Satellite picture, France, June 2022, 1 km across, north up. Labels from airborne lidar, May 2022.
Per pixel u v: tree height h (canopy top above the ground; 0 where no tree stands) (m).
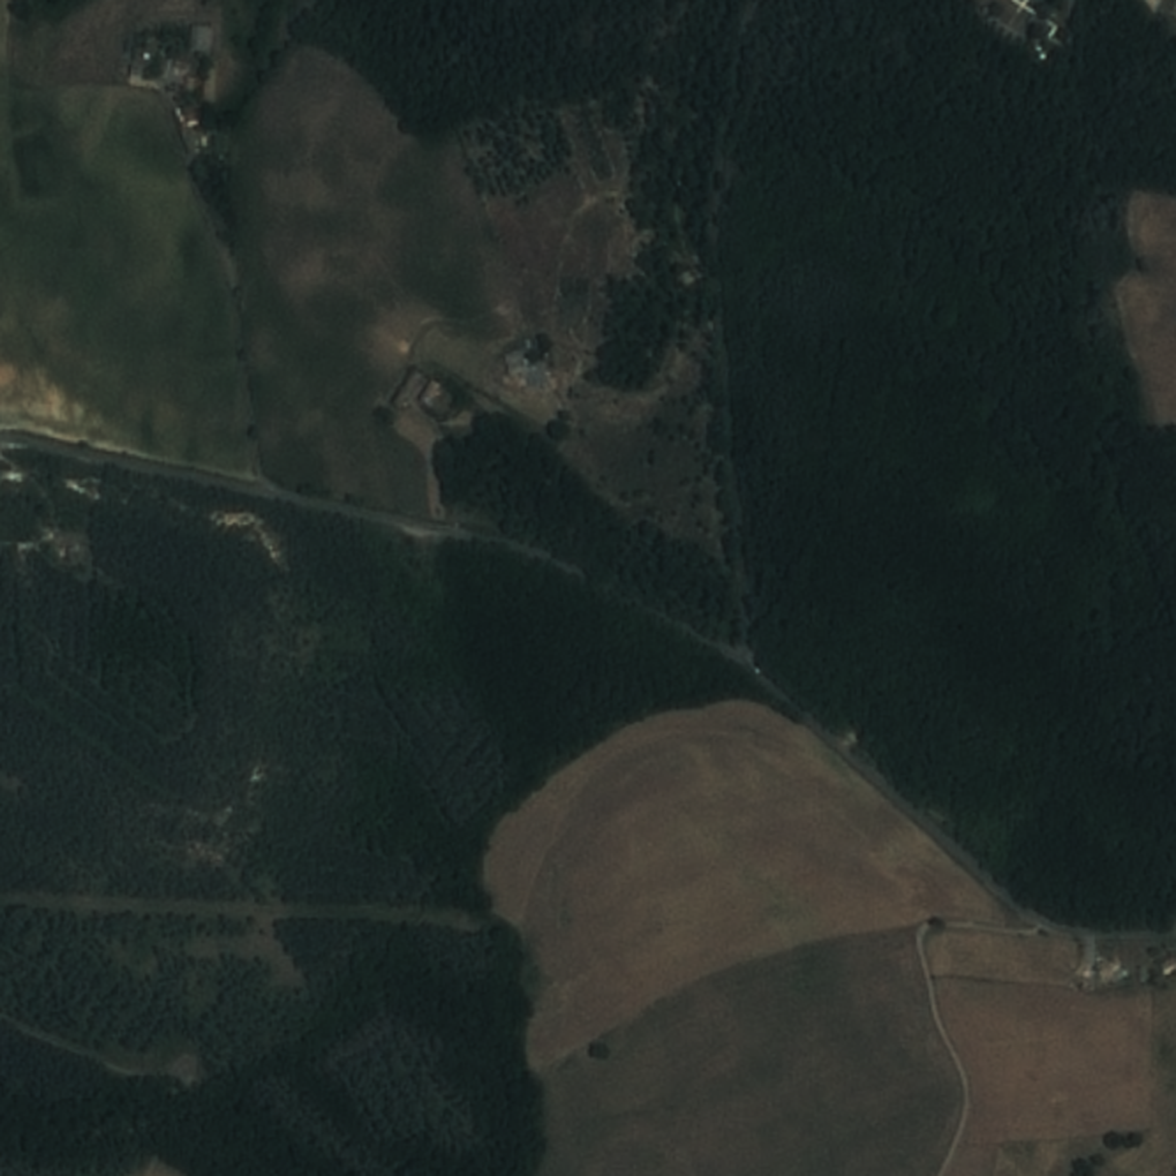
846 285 9
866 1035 0
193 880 9
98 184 0
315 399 0
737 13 12
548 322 0
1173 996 0
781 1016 0
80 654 13
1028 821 9
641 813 0
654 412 0
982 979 0
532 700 14
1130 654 20
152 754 11
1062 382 27
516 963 18
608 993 0
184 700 16
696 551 21
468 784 19
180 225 0
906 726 14
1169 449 19
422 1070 19
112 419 0
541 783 16
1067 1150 0
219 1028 19
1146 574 12
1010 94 12
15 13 9
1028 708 14
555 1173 0
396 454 0
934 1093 0
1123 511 18
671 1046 0
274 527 6
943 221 15
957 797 15
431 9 22
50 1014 10
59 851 10
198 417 0
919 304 8
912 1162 0
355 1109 23
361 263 0
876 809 0
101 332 0
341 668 12
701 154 21
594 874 0
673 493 0
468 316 0
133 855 7
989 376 20
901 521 11
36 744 11
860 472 10
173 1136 14
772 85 12
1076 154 17
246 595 8
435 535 0
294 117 0
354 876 14
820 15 19
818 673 18
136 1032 17
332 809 14
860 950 0
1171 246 0
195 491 10
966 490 9
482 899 21
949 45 20
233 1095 15
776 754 0
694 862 0
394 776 14
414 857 11
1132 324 0
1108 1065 0
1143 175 14
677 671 11
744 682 12
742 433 8
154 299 0
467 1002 15
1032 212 18
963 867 0
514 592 13
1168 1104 0
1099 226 17
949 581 15
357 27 7
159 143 0
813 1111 0
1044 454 24
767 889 0
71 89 0
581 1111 0
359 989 11
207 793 8
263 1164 15
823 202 9
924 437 13
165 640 14
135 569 12
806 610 19
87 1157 13
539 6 21
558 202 0
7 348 0
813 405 10
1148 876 15
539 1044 0
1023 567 14
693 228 20
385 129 0
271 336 0
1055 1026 0
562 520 17
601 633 12
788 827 0
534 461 19
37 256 0
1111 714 19
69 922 9
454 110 12
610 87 12
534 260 0
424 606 7
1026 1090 0
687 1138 0
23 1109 19
